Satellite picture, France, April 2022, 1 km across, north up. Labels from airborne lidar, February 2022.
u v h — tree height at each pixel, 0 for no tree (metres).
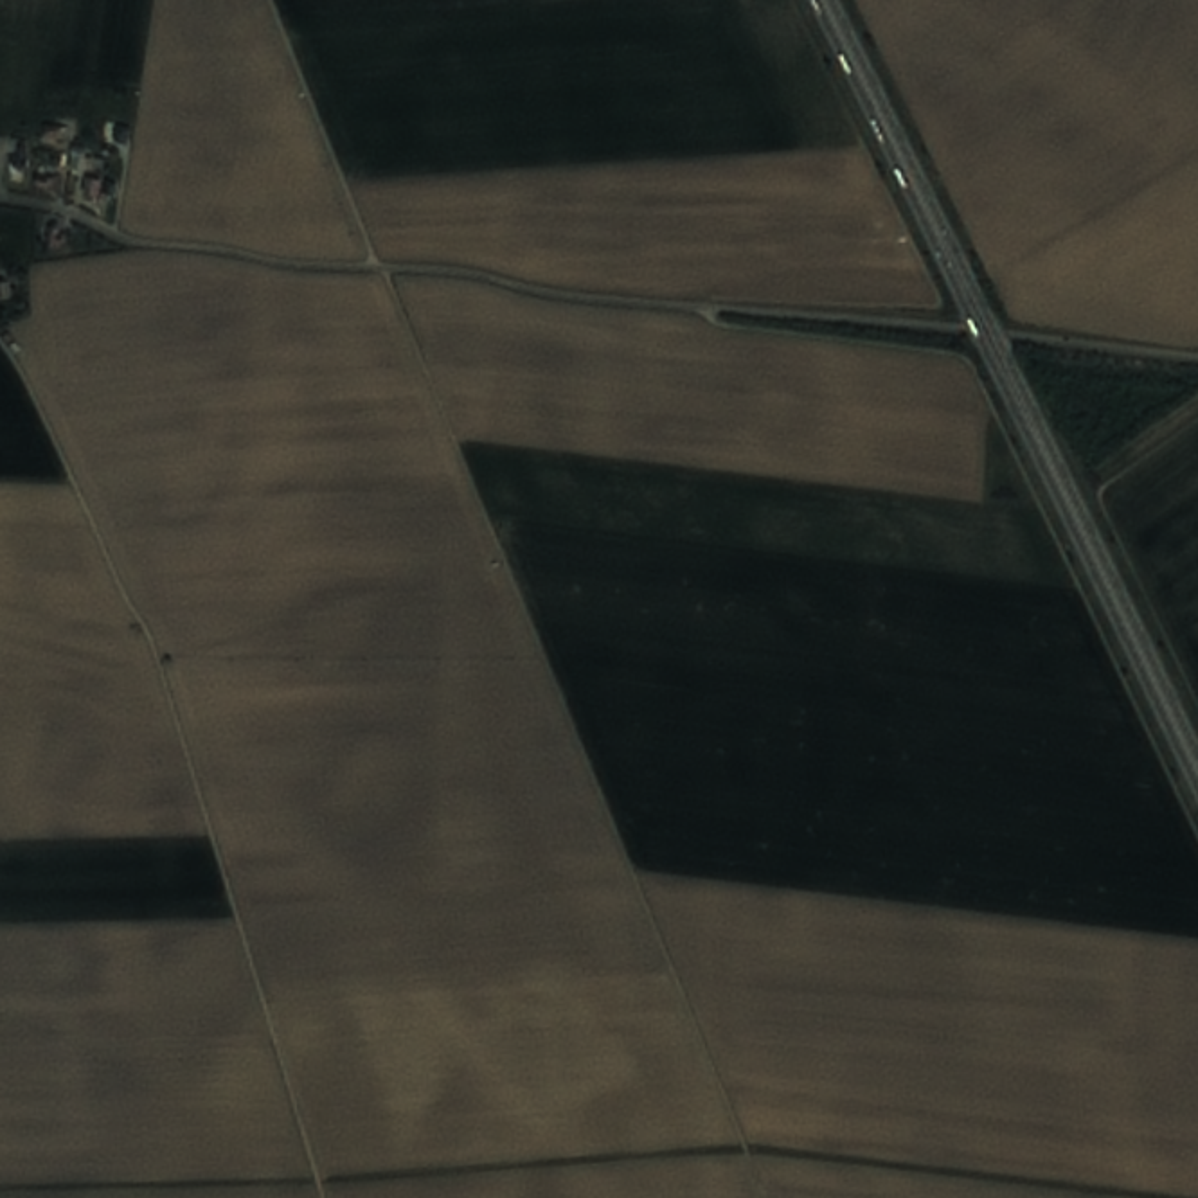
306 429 0
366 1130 0
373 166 0
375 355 0
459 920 0
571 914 0
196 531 0
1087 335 0
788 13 0
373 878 0
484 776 0
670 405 0
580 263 0
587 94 0
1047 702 0
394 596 0
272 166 0
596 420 0
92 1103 0
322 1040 0
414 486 0
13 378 0
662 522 0
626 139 0
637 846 0
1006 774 0
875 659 0
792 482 0
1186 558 0
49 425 0
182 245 0
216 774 0
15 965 0
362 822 0
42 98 0
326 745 0
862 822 0
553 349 0
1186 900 0
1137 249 0
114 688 0
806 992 0
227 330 0
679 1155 0
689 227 0
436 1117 0
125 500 0
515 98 0
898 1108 0
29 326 0
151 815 0
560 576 0
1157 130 0
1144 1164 0
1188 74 0
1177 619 0
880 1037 0
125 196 0
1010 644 0
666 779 0
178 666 0
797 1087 0
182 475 0
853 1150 0
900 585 0
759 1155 0
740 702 0
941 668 0
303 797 0
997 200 0
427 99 0
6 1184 0
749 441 0
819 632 0
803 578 0
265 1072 0
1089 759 0
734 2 0
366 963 0
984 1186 0
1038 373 7
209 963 0
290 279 0
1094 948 0
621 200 0
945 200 0
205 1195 0
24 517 0
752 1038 0
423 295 0
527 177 0
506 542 0
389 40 0
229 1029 0
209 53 0
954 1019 0
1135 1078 0
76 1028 0
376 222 0
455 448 0
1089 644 0
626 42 0
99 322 0
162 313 0
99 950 0
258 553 0
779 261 0
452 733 0
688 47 0
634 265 0
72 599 0
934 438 0
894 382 0
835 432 0
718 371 0
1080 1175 0
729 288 0
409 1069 0
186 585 0
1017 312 0
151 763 0
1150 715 0
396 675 0
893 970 0
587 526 0
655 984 0
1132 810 0
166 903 0
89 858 0
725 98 0
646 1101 0
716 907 0
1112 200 0
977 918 0
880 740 0
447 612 0
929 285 0
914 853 0
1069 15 0
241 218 0
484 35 0
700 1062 0
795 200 0
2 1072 0
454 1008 0
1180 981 0
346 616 0
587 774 0
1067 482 0
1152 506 0
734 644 0
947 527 0
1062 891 0
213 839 0
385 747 0
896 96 0
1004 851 0
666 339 0
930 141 0
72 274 0
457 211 0
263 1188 0
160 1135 0
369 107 0
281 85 0
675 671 0
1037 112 0
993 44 0
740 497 0
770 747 0
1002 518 0
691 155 0
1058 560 0
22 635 0
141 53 0
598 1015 0
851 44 0
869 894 0
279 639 0
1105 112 0
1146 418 6
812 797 0
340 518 0
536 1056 0
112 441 0
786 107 0
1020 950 0
